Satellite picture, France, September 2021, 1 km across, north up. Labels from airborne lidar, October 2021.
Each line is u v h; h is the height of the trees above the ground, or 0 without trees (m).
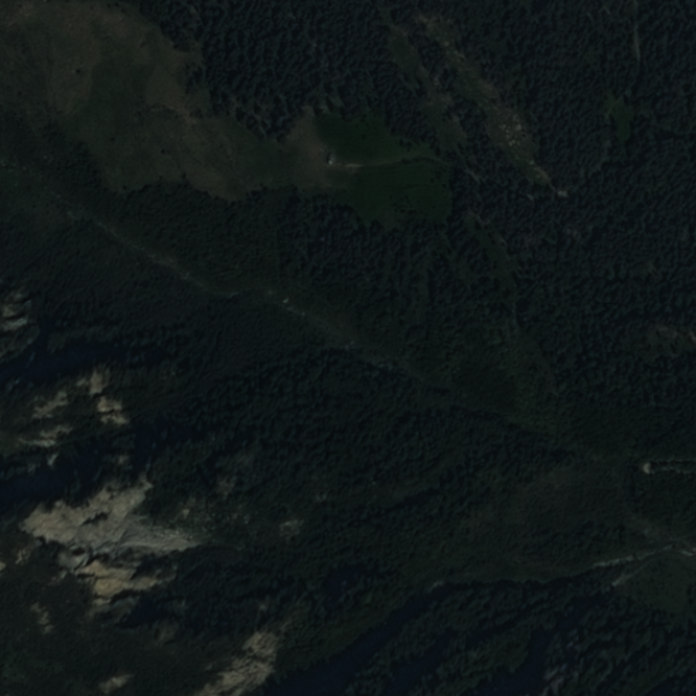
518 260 29
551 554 9
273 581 18
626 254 27
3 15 0
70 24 0
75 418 9
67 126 0
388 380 19
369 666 6
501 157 24
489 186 15
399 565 11
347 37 23
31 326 13
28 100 0
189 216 8
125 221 7
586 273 19
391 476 9
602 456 15
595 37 15
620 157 9
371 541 14
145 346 7
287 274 10
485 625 14
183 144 0
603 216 31
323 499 8
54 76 0
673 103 27
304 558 12
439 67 23
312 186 0
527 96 7
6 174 0
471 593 13
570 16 9
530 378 14
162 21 6
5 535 0
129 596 9
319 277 11
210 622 13
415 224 7
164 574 6
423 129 27
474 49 21
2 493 7
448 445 16
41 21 0
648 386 9
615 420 17
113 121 0
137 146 0
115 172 0
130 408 7
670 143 33
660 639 15
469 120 28
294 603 21
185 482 9
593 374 19
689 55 34
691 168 22
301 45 27
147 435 10
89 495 14
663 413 17
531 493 7
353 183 0
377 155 0
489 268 35
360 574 8
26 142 6
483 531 8
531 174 0
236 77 23
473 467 7
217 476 16
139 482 9
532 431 5
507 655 16
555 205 26
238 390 9
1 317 10
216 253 7
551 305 23
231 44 16
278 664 6
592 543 14
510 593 11
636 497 13
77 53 0
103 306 12
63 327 12
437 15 23
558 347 24
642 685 16
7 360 9
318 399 13
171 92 0
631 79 12
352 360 11
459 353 14
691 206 31
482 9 15
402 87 30
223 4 30
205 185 0
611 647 8
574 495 7
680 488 13
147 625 18
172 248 9
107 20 0
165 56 0
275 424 11
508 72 14
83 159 8
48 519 0
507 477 12
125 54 0
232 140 0
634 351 10
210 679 7
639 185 25
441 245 15
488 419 7
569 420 7
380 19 24
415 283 13
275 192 7
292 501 5
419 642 8
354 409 15
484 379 17
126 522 0
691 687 7
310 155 0
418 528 12
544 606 15
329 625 17
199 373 6
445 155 7
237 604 8
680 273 28
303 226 14
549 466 15
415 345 6
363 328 9
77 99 0
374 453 13
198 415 13
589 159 24
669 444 18
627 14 18
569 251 23
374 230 13
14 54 0
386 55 29
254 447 26
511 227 29
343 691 10
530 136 13
